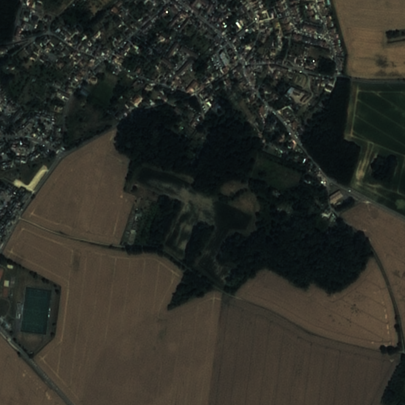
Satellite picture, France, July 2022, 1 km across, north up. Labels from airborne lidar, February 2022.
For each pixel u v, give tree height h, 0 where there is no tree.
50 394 0
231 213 0
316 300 0
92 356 0
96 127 0
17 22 0
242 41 15
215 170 27
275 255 26
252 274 19
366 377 0
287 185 0
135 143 24
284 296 0
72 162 0
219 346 0
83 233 0
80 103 0
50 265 0
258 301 0
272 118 16
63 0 0
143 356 0
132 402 0
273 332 0
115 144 11
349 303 0
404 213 0
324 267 25
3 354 0
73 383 0
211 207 0
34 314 0
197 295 11
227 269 0
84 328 0
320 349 0
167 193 0
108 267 0
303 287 15
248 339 0
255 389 0
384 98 0
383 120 0
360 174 0
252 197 0
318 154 16
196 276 10
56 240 0
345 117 16
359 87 0
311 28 0
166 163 20
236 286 12
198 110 11
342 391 0
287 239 26
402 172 0
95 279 0
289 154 11
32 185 0
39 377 0
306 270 25
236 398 0
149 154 19
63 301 0
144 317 0
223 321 0
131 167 9
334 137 19
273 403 0
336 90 13
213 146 23
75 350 0
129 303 0
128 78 0
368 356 0
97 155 0
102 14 17
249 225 0
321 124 13
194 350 0
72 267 0
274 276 0
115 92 9
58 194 0
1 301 0
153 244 9
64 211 0
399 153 0
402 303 0
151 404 0
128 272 0
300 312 0
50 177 0
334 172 18
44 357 0
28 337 0
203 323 0
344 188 0
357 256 25
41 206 0
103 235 0
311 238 30
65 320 0
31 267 0
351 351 0
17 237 0
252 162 17
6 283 0
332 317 0
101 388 0
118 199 0
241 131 19
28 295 0
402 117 0
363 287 0
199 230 19
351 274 24
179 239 0
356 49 0
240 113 7
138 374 0
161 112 7
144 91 8
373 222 0
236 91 0
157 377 0
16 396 0
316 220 19
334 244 27
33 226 0
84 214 0
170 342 0
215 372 0
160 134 25
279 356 0
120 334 0
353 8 0
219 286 0
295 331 0
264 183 14
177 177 0
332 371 0
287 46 11
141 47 14
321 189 12
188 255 19
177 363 0
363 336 0
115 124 0
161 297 0
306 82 0
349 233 25
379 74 0
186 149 18
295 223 26
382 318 0
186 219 0
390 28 0
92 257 0
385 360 0
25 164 0
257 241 26
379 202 0
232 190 0
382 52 0
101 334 0
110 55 0
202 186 22
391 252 0
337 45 0
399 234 0
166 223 12
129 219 0
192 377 0
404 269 0
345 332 0
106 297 0
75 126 0
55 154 11
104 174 0
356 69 0
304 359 0
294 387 0
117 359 0
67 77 10
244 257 23
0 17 20
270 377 0
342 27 0
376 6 0
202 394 0
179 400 0
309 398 0
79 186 0
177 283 0
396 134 0
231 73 13
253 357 0
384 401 7
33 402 0
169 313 0
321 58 7
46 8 0
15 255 0
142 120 28
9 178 0
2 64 14
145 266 0
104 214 0
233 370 0
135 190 12
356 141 0
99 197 0
